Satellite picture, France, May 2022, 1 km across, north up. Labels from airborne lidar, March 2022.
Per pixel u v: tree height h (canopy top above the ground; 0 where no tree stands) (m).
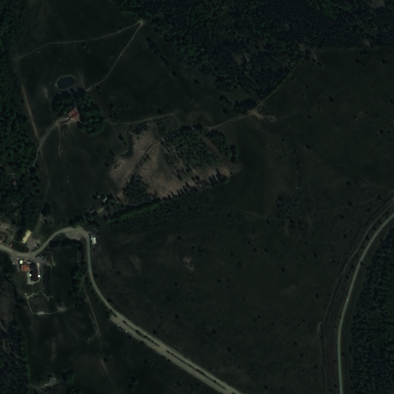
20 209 9
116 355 0
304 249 0
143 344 11
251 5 24
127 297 0
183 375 0
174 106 0
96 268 0
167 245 0
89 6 0
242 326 0
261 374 0
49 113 0
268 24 24
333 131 0
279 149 0
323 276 0
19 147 29
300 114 0
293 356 0
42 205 0
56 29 0
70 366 0
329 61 0
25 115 0
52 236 0
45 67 0
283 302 0
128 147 0
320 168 0
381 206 0
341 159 0
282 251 0
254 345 0
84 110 25
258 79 24
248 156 0
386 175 0
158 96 0
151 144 0
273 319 0
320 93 0
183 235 0
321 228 0
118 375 0
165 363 0
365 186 0
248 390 0
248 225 0
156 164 0
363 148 0
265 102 0
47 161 0
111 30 0
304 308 0
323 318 0
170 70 0
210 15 18
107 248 0
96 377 0
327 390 0
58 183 0
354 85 0
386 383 25
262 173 0
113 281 0
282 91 0
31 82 0
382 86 0
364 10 23
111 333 0
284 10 23
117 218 16
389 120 0
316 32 25
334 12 14
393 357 24
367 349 20
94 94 0
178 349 0
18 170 20
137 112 0
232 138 0
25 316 0
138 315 0
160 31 19
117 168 0
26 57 0
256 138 0
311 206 0
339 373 0
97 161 0
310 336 0
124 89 0
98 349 0
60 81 0
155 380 0
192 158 24
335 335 0
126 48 0
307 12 24
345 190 0
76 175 0
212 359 0
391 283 17
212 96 0
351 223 0
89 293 0
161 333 0
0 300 0
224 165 0
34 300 0
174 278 0
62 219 0
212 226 0
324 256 0
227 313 0
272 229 0
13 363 21
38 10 0
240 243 0
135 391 0
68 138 0
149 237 0
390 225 0
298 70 0
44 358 0
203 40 7
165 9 32
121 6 21
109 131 0
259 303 0
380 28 25
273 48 25
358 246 0
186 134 23
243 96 0
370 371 22
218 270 0
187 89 0
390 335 20
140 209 17
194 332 0
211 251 0
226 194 0
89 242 0
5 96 17
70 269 0
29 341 0
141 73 0
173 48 16
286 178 0
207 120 0
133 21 0
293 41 27
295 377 0
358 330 17
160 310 0
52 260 0
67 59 0
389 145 0
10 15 21
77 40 0
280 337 0
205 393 0
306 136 0
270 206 0
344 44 20
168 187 0
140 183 15
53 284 0
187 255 0
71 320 0
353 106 0
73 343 0
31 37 0
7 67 16
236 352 0
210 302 0
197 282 0
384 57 0
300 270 0
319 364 0
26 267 0
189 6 31
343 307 0
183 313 0
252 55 26
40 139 0
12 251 0
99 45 0
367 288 7
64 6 0
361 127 0
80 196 0
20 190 17
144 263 0
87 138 0
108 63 0
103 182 0
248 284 0
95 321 0
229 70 22
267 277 0
